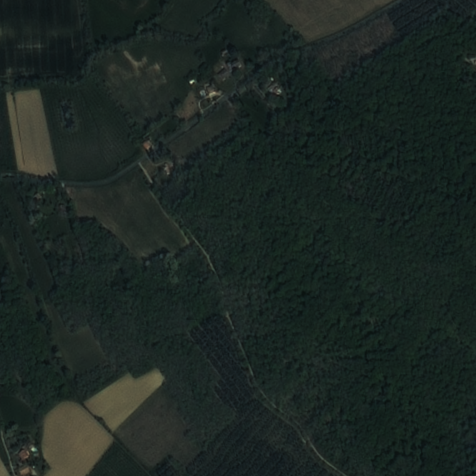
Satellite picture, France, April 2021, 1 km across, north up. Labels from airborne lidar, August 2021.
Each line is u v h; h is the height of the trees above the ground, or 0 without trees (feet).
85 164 0
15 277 64
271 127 62
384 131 36
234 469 41
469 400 65
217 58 0
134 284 71
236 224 66
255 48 0
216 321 46
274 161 77
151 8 0
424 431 64
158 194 62
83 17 43
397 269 70
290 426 29
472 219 67
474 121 66
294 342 66
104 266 57
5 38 0
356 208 73
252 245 64
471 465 51
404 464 74
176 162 77
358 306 56
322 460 38
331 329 61
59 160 0
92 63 76
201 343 50
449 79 73
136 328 54
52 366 64
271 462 37
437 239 49
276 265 77
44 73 0
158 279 56
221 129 0
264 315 62
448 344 73
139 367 46
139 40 61
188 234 40
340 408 54
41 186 53
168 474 43
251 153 80
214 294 49
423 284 72
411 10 50
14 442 35
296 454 26
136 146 37
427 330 82
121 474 18
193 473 37
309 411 28
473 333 81
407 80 68
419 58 65
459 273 68
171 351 65
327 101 58
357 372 69
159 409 0
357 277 56
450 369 70
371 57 40
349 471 52
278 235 84
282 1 0
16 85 30
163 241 0
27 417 0
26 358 77
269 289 55
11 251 0
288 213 84
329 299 83
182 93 0
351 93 69
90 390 46
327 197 78
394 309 69
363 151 38
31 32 0
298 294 65
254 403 35
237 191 85
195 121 0
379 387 53
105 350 49
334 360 65
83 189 0
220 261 53
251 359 58
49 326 82
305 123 64
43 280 0
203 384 57
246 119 68
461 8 41
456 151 51
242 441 40
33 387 64
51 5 0
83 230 72
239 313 56
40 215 61
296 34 32
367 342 65
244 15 0
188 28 0
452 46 62
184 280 50
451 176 67
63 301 53
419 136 83
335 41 36
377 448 71
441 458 79
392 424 77
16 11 0
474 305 76
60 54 0
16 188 22
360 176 37
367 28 38
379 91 58
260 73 61
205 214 63
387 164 65
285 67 58
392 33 22
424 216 64
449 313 74
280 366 61
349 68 44
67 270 66
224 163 77
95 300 61
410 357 72
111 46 84
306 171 78
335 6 0
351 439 54
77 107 43
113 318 62
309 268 92
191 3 0
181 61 0
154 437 0
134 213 0
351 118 83
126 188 0
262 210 76
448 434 50
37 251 0
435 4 49
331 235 85
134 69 0
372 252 73
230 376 43
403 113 73
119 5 0
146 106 0
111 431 34
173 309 56
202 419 59
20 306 95
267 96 29
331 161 63
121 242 39
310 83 88
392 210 43
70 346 0
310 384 55
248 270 62
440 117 66
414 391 56
